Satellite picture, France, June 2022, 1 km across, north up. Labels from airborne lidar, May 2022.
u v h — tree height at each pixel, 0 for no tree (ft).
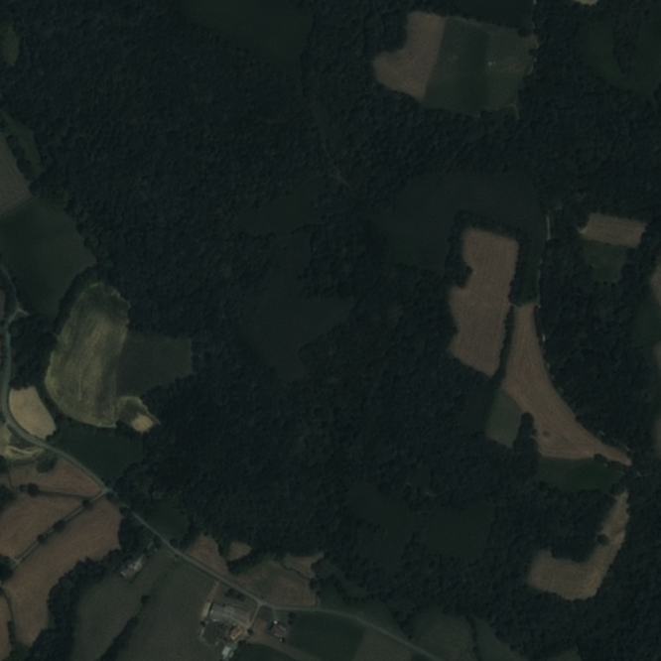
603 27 0
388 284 58
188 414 59
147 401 59
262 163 48
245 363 38
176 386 29
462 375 41
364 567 32
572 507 56
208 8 0
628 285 59
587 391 53
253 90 49
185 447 59
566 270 52
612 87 34
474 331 0
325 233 51
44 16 53
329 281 20
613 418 51
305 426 64
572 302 54
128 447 0
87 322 0
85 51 78
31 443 0
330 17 65
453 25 0
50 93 69
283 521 30
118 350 0
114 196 62
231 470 53
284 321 0
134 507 59
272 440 57
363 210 40
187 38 51
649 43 0
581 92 70
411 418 39
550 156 56
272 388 46
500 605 65
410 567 43
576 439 0
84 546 0
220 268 53
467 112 0
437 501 20
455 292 0
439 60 0
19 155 49
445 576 55
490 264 0
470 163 25
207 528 67
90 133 19
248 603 0
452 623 0
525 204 0
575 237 60
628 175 55
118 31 45
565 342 74
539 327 27
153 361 0
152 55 57
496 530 43
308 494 68
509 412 0
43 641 74
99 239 92
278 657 0
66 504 0
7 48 0
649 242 85
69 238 0
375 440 48
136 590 0
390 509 0
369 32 64
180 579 0
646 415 33
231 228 43
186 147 52
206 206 52
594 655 61
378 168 38
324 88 52
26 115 73
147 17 42
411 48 0
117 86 56
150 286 35
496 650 0
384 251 43
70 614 57
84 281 64
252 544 60
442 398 36
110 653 35
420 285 52
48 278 0
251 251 51
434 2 50
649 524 50
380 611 0
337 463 79
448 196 0
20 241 0
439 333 56
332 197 32
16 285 44
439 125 40
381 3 41
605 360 80
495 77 0
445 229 0
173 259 38
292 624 41
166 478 93
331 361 41
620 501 0
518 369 0
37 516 0
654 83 0
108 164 57
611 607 85
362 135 82
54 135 54
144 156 65
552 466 0
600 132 34
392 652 0
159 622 0
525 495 39
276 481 40
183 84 58
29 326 50
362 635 0
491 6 0
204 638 0
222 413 73
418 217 0
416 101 47
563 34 64
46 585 0
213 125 61
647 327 0
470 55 0
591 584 0
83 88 55
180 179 59
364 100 64
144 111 37
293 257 0
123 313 0
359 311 47
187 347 0
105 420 0
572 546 41
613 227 0
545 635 63
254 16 0
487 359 0
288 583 0
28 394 0
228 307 24
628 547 56
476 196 0
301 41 0
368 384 59
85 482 0
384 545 0
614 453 0
